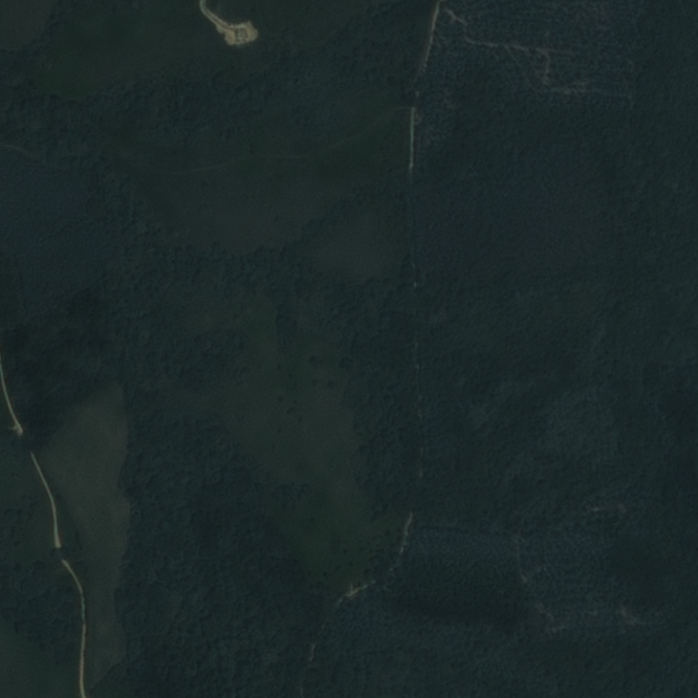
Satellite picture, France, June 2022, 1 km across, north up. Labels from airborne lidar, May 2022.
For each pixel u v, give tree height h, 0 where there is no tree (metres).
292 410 6
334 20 0
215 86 17
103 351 17
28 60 13
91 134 17
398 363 11
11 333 8
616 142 15
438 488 13
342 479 0
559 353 12
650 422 23
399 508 8
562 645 15
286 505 11
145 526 24
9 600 11
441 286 9
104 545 0
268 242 0
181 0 0
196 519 20
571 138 11
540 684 18
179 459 16
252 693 11
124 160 0
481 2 20
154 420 16
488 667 23
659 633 15
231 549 12
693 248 19
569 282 16
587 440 18
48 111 18
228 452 13
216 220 0
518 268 27
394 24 13
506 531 8
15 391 8
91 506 0
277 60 10
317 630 14
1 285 7
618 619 22
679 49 15
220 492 21
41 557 0
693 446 23
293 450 0
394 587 21
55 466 0
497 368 10
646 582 22
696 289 20
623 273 15
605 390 24
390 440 17
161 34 0
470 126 15
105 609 0
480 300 15
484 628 17
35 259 9
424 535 19
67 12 9
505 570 18
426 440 13
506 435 11
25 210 8
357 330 20
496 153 20
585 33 19
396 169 6
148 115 18
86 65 0
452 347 6
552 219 24
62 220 9
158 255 19
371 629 24
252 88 18
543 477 16
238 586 13
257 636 20
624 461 17
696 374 27
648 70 23
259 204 0
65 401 15
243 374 8
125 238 7
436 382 11
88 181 7
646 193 21
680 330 19
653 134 19
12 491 0
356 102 0
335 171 0
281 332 8
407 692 8
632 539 23
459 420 14
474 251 25
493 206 24
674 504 20
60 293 11
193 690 18
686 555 23
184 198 0
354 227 0
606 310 12
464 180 15
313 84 6
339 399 0
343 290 21
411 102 14
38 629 14
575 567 15
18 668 0
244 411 0
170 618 13
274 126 0
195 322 0
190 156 0
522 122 19
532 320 12
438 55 11
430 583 20
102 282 9
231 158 0
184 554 15
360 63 13
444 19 10
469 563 24
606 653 17
